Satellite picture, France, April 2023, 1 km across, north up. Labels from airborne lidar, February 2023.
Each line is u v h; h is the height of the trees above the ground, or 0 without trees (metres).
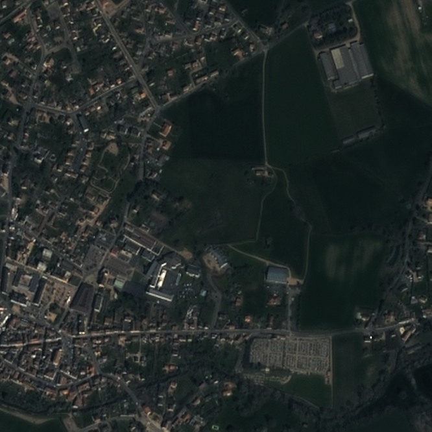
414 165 0
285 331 0
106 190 0
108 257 0
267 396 24
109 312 6
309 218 0
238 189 0
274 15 0
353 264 0
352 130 0
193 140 0
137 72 0
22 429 0
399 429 0
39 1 0
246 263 0
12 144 16
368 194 0
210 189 0
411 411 14
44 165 14
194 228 0
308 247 0
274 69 0
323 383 0
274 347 0
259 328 0
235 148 0
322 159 0
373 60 0
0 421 0
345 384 0
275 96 0
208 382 8
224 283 0
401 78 0
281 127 0
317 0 0
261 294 0
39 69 0
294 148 0
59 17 0
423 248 0
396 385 0
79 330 0
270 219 0
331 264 0
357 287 0
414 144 0
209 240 0
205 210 0
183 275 0
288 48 0
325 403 0
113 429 10
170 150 0
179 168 0
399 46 0
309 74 0
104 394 0
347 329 0
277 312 0
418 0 0
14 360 13
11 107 17
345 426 11
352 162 0
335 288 0
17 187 9
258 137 0
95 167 9
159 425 0
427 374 0
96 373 0
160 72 0
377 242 0
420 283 0
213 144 0
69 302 0
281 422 0
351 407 19
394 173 0
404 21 0
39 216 0
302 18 0
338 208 0
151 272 0
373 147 0
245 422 0
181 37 0
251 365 6
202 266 8
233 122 0
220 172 0
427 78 0
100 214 0
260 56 0
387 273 0
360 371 0
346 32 15
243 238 0
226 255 8
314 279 0
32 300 0
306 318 0
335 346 0
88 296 0
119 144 13
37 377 5
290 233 0
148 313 13
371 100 0
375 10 0
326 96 0
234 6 0
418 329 10
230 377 12
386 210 0
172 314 0
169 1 0
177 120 0
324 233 0
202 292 0
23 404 10
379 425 0
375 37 0
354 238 0
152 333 0
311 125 0
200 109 0
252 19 0
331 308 0
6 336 0
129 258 0
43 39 0
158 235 8
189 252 0
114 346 6
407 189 0
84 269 0
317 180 0
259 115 0
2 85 15
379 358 0
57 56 0
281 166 0
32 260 5
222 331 0
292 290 0
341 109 0
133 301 18
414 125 0
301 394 0
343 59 0
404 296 0
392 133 0
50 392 0
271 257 0
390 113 0
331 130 0
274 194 0
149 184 16
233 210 0
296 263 0
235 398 0
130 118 0
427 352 8
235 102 0
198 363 7
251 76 0
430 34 0
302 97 0
